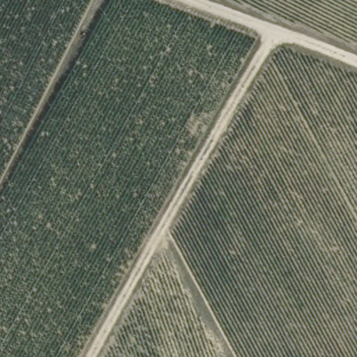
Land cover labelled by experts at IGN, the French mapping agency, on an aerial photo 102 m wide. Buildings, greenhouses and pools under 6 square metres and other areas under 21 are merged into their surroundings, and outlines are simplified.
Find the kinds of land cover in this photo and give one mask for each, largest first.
<instances>
[{"label":"vineyard","instance_id":"1","mask_svg":"<svg viewBox=\"0 0 357 357\"><path fill-rule=\"evenodd\" d=\"M261 46V35L255 29L187 6L177 0H0V357H86L103 322L112 311L120 291L126 286L132 269L137 265L146 241L158 227L181 181L190 172L192 163L211 135L223 107L226 106L238 81L250 66L252 57ZM269 24L282 26L289 31L303 33L357 56V0H208ZM172 240L167 243V248L155 251L149 259L144 273L135 284L130 298L124 304L116 324L113 325L96 357H357V67L296 43H282L271 50L243 98L238 102L226 131L220 135L218 144L209 153V158L199 172L197 180L192 184L187 198L174 216L170 225Z\"/></svg>","mask_w":357,"mask_h":357},{"label":"pervious surface","instance_id":"2","mask_svg":"<svg viewBox=\"0 0 357 357\"><path fill-rule=\"evenodd\" d=\"M187 6L255 29L261 35V46L252 57L250 66L238 81L226 106L223 107L211 135L192 163L190 172L181 181L158 227L146 241L137 265L132 269L126 286L120 291L112 311L103 322L86 357H96L113 325L116 324L124 304L130 298L135 284L144 273L149 259L155 251L167 248V243L172 240L170 225L174 216L187 198L192 184L197 180L199 172L209 158V153L218 144L220 135L226 131L238 102L243 98L271 50L282 43H296L357 67V56L303 33L289 31L282 26L269 24L208 0H177Z\"/></svg>","mask_w":357,"mask_h":357}]
</instances>
